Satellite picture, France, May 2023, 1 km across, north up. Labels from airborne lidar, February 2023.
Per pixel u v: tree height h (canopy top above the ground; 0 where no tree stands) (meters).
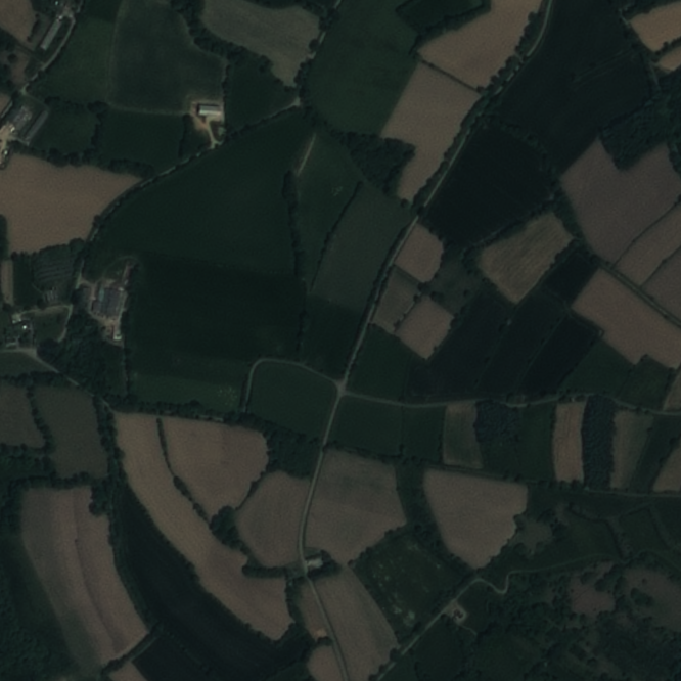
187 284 0
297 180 0
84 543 0
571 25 0
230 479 0
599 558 0
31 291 0
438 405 0
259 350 0
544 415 0
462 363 0
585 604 0
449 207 0
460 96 0
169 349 0
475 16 7
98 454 0
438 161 0
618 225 0
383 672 9
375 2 0
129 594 6
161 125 0
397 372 0
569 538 0
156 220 0
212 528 11
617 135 20
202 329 0
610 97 0
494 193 0
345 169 0
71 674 0
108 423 13
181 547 0
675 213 0
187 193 0
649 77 11
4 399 0
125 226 0
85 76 0
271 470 10
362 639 0
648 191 0
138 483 0
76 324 15
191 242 0
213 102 0
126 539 0
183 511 0
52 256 9
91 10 0
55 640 0
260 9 0
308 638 12
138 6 0
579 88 0
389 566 0
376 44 0
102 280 0
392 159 9
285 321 0
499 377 0
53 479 16
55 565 0
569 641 11
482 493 0
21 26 0
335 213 0
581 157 0
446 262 11
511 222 0
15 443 0
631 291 0
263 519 0
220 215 0
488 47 0
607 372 0
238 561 0
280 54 0
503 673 0
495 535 0
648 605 8
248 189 0
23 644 13
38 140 0
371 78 0
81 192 0
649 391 0
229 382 0
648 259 0
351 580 0
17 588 0
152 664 0
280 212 0
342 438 0
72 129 0
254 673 0
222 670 0
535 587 6
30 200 0
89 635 0
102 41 0
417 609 0
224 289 0
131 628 0
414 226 0
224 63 0
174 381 0
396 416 0
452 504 0
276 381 0
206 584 0
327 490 0
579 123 0
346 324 0
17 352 0
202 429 0
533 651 0
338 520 0
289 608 11
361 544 0
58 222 0
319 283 0
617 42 0
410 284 0
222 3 0
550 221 0
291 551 0
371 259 0
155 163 0
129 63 0
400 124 0
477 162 0
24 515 0
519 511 0
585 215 0
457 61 0
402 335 0
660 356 0
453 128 0
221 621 0
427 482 0
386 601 0
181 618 0
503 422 26
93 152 10
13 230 0
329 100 0
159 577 0
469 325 0
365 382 0
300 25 0
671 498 0
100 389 11
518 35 0
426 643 0
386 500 0
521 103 0
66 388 16
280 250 0
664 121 18
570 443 0
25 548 0
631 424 0
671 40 0
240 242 0
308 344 0
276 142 0
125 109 0
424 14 0
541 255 0
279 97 0
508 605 6
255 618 0
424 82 0
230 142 11
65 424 0
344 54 0
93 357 8
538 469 0
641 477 0
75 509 0
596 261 12
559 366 0
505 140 0
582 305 0
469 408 0
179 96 0
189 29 11
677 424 0
